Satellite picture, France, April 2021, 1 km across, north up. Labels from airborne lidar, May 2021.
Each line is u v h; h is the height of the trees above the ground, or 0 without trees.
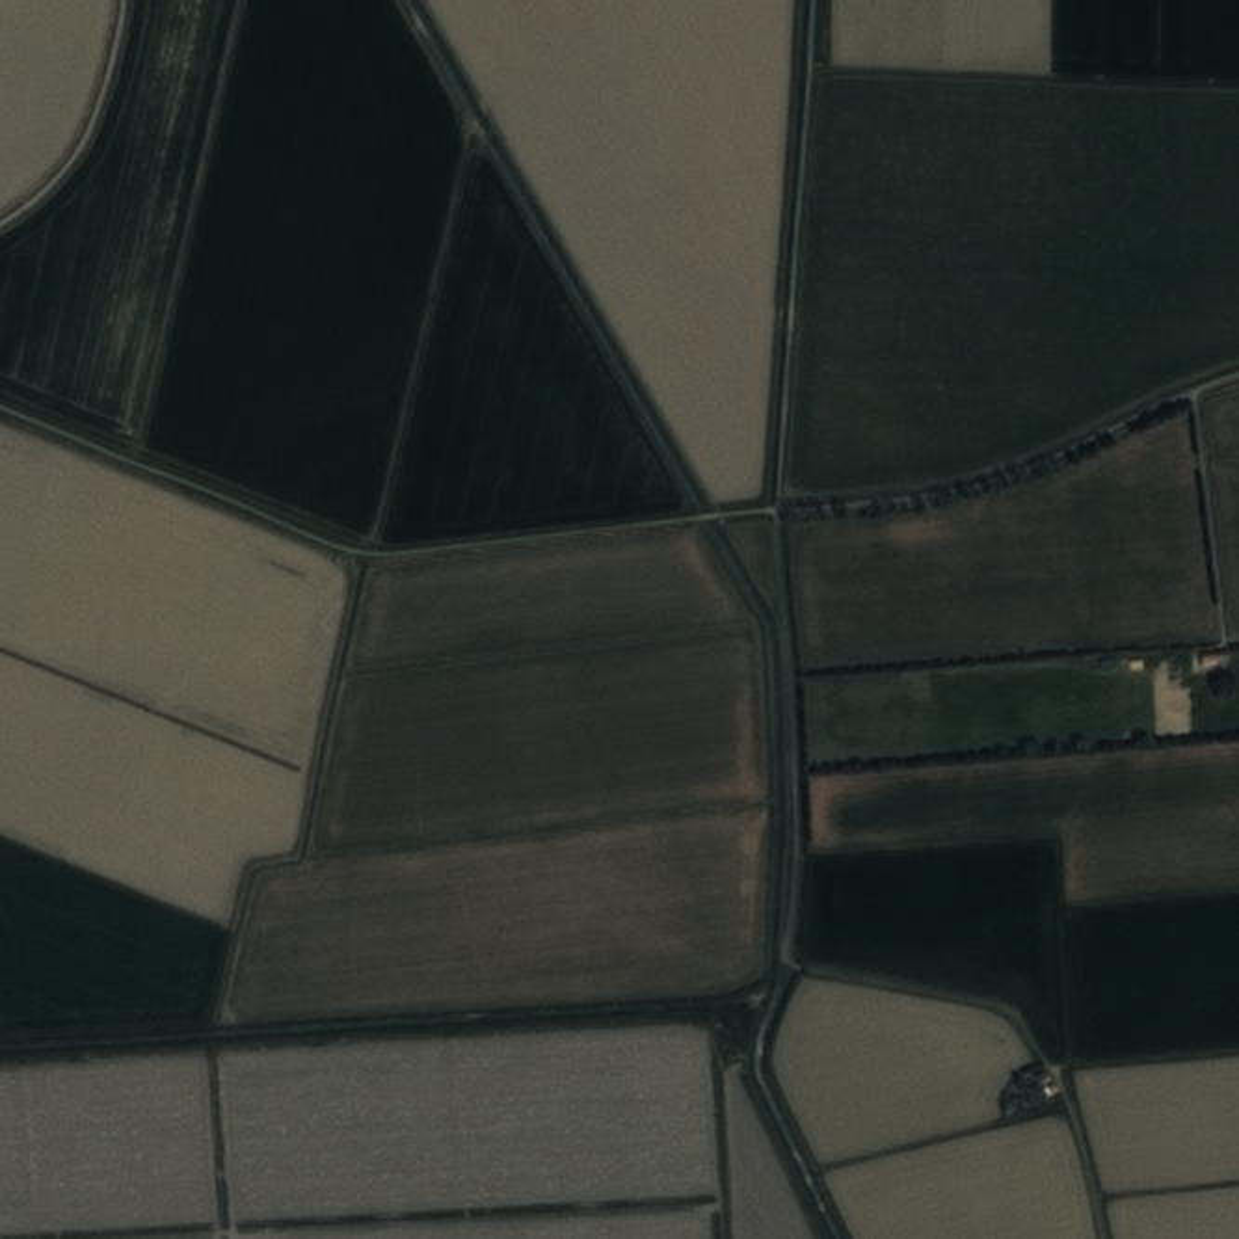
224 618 0
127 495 0
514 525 0
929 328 0
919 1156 0
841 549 0
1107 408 0
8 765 0
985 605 0
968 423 0
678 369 0
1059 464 17
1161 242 0
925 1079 0
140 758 0
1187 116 0
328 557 0
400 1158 0
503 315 0
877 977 0
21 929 0
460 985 0
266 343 0
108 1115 0
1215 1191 0
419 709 0
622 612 0
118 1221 0
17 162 0
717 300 0
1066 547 0
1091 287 0
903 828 0
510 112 0
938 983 0
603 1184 0
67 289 0
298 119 0
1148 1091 0
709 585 0
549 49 0
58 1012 0
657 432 0
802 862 0
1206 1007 0
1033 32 0
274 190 0
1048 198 0
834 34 0
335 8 0
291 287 0
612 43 0
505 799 0
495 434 0
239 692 0
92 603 0
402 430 0
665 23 0
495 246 0
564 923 0
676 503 0
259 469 0
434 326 0
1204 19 0
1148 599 0
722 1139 0
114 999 0
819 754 0
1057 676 0
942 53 0
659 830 0
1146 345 0
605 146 0
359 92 0
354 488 0
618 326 0
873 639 0
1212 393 0
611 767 0
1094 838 0
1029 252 0
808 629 0
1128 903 0
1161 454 0
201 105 0
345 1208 0
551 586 0
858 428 0
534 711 0
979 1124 0
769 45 0
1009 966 0
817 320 0
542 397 0
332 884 0
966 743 0
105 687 0
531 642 0
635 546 0
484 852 0
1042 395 0
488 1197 0
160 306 0
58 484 0
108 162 0
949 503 24
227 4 0
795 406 0
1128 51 0
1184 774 0
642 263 0
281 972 0
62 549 0
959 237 0
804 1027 0
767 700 0
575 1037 0
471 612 0
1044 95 0
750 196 0
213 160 0
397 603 0
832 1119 0
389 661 0
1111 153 0
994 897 0
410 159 0
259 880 0
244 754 0
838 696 0
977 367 0
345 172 0
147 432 0
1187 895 0
